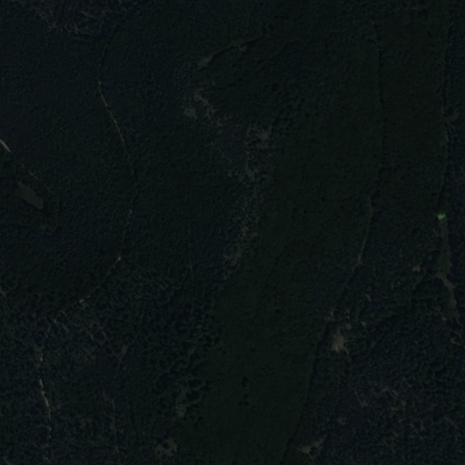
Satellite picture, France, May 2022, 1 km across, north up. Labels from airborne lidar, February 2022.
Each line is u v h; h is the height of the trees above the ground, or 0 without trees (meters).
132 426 10
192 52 9
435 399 12
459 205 32
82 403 12
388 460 19
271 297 18
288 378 22
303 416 20
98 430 29
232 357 24
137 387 14
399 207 26
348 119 21
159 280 6
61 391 7
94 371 13
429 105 24
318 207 21
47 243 24
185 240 12
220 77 14
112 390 12
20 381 21
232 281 17
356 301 15
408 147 26
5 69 15
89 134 15
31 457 28
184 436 21
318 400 21
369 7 10
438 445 24
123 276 8
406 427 7
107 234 16
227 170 7
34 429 5
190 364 16
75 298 13
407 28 18
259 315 22
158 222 10
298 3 18
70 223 15
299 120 15
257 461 12
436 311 22
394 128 27
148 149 14
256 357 25
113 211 15
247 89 17
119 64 13
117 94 13
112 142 12
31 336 28
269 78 17
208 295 15
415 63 26
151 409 10
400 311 23
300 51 13
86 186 12
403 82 26
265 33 35
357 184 21
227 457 20
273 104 19
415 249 23
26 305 10
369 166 22
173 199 13
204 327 26
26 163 16
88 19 7
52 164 16
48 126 16
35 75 15
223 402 20
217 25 15
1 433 23
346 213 22
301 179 21
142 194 15
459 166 25
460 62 12
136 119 14
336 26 16
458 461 24
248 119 10
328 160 23
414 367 24
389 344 25
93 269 11
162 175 17
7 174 13
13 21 16
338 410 15
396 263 16
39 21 13
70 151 17
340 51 15
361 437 20
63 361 7
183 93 9
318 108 9
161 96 11
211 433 22
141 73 14
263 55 16
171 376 26
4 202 25
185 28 15
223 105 12
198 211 11
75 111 14
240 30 12
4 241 23
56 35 13
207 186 11
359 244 18
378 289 23
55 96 13
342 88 18
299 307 22
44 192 21
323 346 19
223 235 11
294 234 19
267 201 13
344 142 24
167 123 12
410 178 27
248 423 21
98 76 7
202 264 13
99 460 28
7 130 15
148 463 12
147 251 16
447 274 0
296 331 18
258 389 24
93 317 31
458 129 14
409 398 8
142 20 17
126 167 16
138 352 13
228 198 11
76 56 14
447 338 25
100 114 15
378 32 19
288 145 17
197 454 17
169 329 23
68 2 10
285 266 23
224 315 21
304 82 15
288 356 20
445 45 16
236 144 8
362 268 15
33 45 17
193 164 10
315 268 22
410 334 26
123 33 13
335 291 17
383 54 22
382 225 22
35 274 22
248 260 17
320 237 22
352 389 9
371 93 23
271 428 23
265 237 23
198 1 16
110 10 9
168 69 12
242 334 24
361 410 11
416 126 28
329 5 14
